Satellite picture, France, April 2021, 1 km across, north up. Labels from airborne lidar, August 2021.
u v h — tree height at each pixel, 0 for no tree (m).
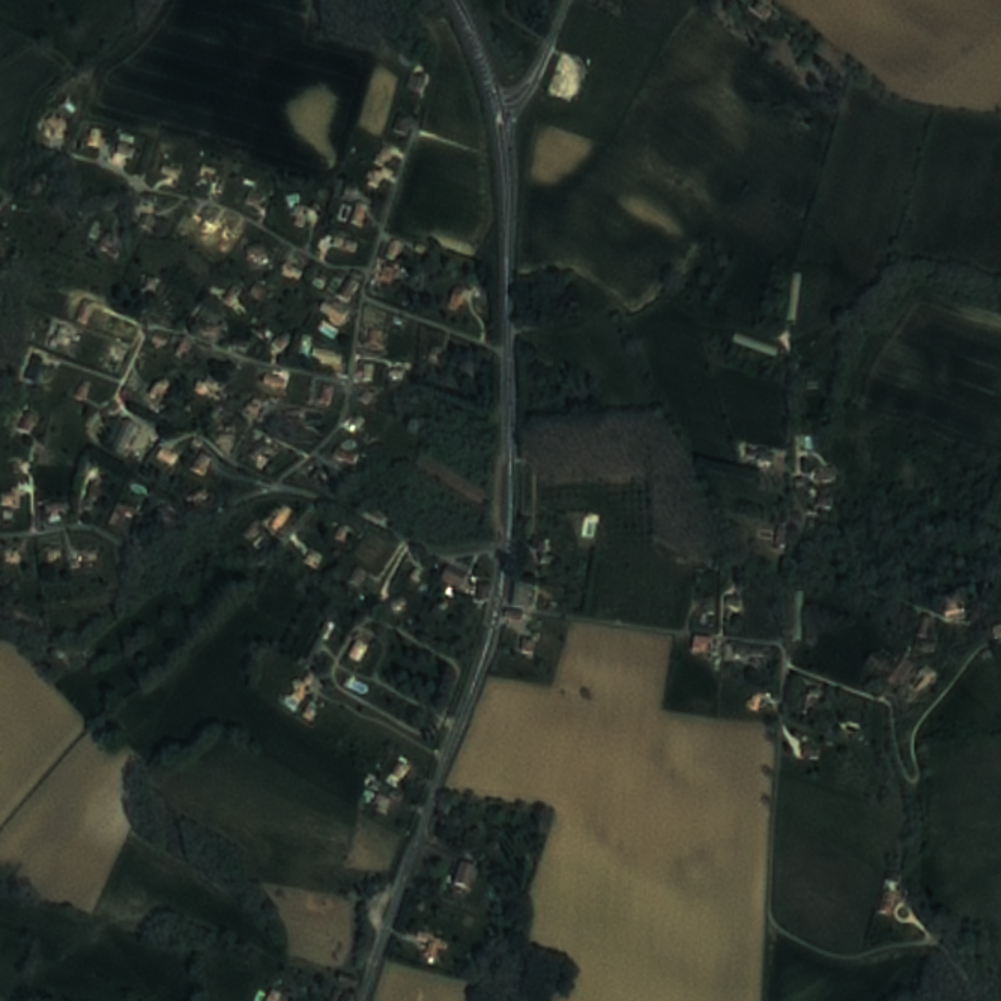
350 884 0
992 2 0
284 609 0
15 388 12
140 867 0
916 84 0
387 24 24
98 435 0
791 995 0
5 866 0
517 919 16
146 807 17
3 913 0
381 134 0
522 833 11
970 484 7
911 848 14
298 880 0
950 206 0
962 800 0
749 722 0
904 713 17
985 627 11
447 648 9
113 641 0
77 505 17
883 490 14
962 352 0
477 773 0
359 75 0
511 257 0
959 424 0
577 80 0
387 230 0
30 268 15
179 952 20
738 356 12
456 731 0
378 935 0
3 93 0
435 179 0
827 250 0
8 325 19
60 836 0
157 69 0
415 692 16
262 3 0
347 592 14
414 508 8
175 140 0
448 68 0
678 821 0
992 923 0
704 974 0
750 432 0
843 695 9
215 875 18
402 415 9
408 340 0
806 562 17
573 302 9
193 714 0
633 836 0
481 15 0
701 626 0
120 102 0
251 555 13
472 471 8
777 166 0
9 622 14
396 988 0
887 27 0
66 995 0
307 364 10
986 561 11
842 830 0
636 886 0
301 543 0
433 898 15
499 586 0
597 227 0
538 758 0
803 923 0
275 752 0
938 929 21
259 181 0
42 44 17
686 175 0
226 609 31
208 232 0
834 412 15
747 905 0
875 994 0
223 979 0
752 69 0
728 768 0
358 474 9
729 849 0
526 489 0
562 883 0
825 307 0
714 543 20
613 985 0
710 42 0
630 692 0
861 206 0
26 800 0
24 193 11
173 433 9
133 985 0
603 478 20
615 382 0
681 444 15
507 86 0
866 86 14
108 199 14
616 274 0
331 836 0
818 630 10
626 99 0
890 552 12
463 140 0
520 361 13
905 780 12
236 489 11
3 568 6
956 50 0
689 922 0
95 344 0
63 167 18
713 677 0
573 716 0
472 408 23
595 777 0
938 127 0
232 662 0
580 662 0
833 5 0
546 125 0
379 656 0
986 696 0
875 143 0
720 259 15
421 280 9
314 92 0
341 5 24
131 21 8
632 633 0
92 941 0
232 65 0
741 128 0
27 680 0
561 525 9
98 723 15
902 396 0
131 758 0
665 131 0
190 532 21
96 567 6
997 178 0
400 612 0
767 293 10
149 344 6
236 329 0
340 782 0
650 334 0
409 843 0
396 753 8
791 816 0
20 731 0
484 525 9
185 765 12
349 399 0
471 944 0
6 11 0
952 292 14
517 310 7
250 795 0
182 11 0
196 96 0
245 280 9
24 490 0
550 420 18
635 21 0
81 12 0
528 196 0
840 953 0
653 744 0
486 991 13
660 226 0
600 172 0
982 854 0
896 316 19
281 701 0
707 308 7
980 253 0
